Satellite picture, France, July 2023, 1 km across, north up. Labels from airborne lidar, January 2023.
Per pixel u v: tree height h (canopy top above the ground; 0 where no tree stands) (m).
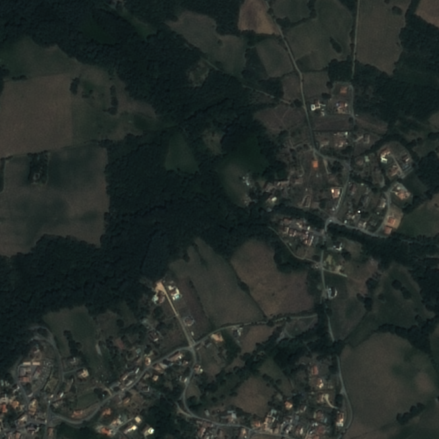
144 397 6
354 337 0
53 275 33
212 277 0
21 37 21
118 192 17
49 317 0
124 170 10
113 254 26
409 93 11
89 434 7
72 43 22
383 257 14
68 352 0
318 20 0
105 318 0
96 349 0
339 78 13
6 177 0
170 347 0
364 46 0
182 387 15
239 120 14
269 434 0
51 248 19
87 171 0
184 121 17
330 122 0
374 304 21
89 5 19
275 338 17
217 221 15
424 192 0
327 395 0
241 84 9
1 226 0
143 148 18
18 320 25
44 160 11
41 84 0
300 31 0
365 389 0
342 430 0
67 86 0
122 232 26
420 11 0
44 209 0
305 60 0
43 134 0
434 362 11
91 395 0
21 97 0
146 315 11
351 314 0
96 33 0
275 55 0
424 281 23
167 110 14
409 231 0
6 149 0
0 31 27
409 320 0
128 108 0
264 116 0
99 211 0
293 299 0
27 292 22
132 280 19
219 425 0
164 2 8
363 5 0
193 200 22
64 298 20
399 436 0
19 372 0
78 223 0
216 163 18
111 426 0
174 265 0
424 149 0
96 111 0
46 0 27
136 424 0
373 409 0
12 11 23
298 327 0
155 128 0
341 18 0
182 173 21
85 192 0
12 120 0
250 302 0
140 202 27
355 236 15
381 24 0
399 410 0
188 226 18
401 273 0
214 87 14
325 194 0
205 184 18
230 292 0
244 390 0
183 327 0
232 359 7
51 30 15
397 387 0
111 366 6
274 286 0
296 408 9
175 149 0
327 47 0
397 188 0
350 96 0
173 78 22
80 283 30
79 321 0
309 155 0
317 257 10
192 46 8
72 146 0
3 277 6
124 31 20
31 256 14
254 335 0
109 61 14
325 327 13
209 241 20
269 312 0
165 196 25
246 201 0
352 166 7
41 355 0
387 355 0
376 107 12
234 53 0
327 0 0
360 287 0
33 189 0
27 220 0
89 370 6
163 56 24
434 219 0
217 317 0
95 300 18
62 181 0
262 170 0
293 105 9
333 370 15
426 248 12
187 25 0
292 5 0
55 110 0
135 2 15
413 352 0
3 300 25
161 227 19
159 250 22
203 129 16
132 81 17
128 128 0
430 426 0
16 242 0
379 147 16
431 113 13
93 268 23
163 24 12
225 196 12
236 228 18
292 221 0
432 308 18
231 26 16
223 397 7
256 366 19
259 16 0
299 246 6
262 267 0
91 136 0
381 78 6
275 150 14
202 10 13
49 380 9
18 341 15
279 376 0
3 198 0
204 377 6
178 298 0
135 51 14
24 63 0
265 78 0
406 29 10
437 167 18
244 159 0
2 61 0
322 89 0
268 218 24
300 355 17
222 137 0
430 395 0
